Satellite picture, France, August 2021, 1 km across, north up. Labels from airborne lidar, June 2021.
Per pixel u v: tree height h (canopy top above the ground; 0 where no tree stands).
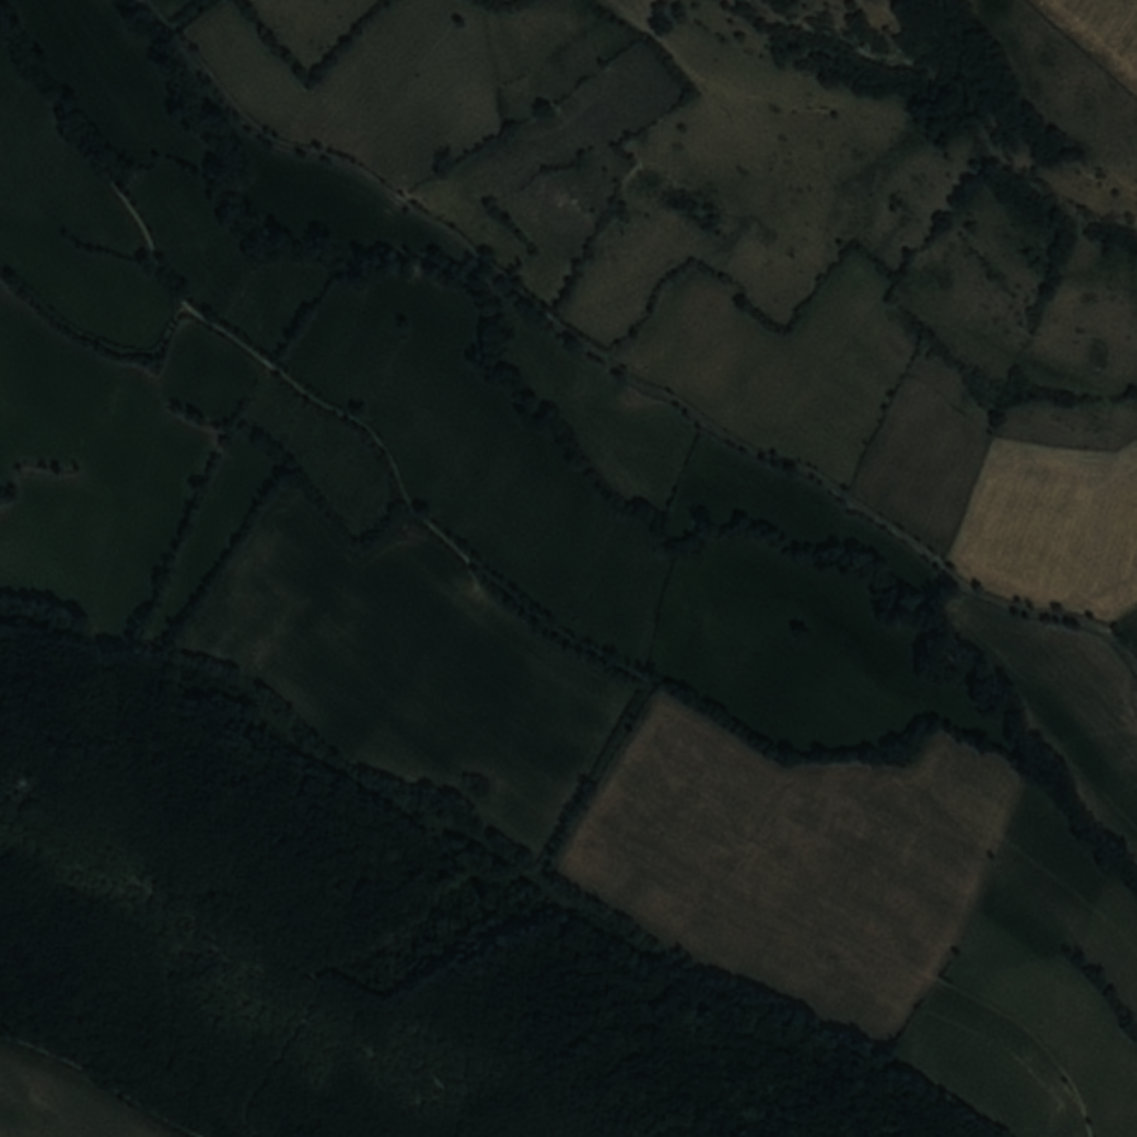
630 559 0
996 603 0
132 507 0
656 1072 22
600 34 0
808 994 0
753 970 0
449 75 0
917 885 0
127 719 24
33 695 24
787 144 0
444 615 0
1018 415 0
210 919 9
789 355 0
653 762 0
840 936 0
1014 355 0
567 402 0
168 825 18
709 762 0
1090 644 0
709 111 0
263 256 23
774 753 15
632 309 0
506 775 0
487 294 13
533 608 14
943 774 0
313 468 0
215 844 22
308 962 13
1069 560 0
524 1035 19
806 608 0
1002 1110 0
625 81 0
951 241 0
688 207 6
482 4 7
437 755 0
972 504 0
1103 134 0
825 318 0
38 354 0
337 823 24
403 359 0
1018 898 0
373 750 0
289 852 23
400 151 0
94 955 19
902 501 0
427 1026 10
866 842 0
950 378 0
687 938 0
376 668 0
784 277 0
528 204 0
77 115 20
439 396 0
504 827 0
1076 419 0
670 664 0
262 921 11
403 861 21
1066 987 0
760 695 0
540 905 7
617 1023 25
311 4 0
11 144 0
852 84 8
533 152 0
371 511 0
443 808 16
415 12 0
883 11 0
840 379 0
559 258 0
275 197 0
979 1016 0
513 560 0
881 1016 0
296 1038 7
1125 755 0
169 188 0
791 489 0
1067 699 0
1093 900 0
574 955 20
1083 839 26
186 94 32
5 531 0
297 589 0
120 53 0
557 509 0
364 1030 7
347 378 0
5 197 0
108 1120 0
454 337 0
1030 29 0
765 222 0
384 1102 8
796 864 0
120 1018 19
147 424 0
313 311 13
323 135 0
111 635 0
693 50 0
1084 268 0
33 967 24
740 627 0
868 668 0
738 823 0
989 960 0
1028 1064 0
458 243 0
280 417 0
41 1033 23
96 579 0
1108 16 0
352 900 21
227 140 24
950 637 33
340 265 27
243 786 25
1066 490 0
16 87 0
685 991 21
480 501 0
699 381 0
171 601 0
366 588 0
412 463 0
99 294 0
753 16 12
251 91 0
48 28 0
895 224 0
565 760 0
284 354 10
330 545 0
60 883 8
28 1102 0
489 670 0
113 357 7
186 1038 13
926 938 0
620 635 0
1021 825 0
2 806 11
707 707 11
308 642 0
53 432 0
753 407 0
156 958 12
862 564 25
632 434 0
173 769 23
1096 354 0
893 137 0
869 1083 27
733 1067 24
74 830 10
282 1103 11
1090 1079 0
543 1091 11
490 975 20
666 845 0
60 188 0
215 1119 16
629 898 0
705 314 0
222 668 13
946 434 0
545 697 0
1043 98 0
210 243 0
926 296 0
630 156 6
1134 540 0
